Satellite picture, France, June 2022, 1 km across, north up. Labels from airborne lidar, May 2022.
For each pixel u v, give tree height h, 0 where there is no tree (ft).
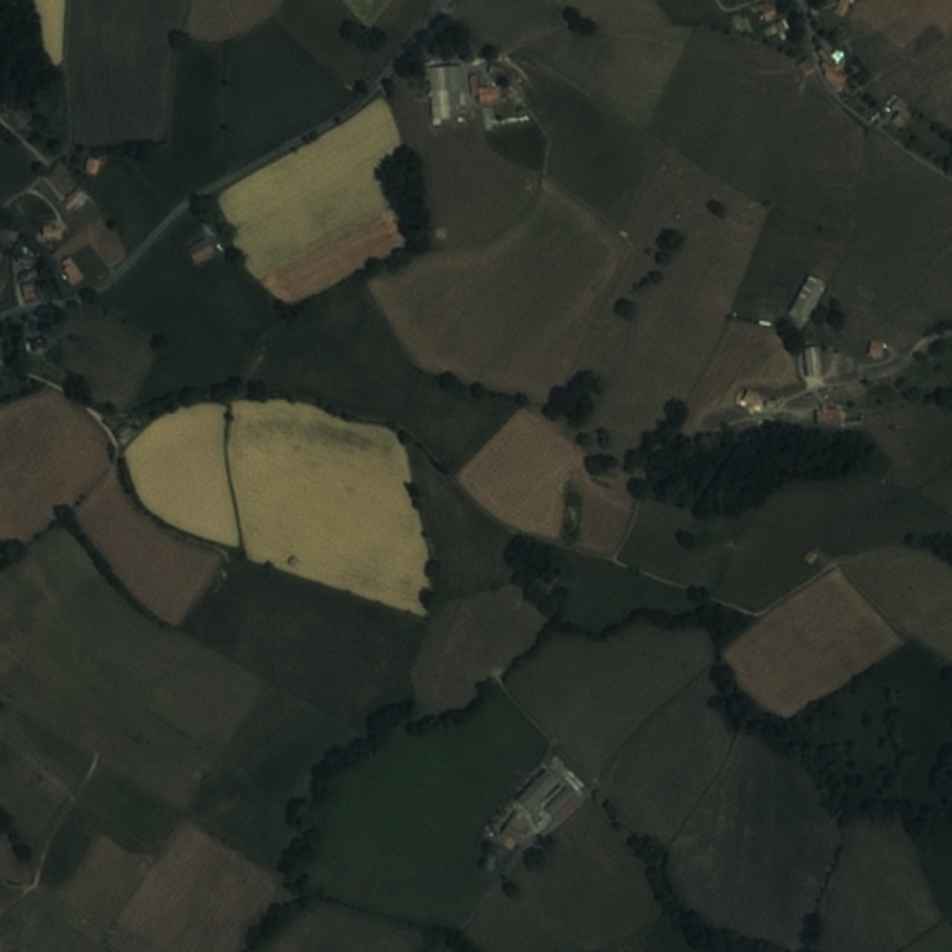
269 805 0
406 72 43
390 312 0
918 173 0
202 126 0
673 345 0
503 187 0
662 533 0
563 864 0
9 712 0
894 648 0
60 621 0
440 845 0
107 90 0
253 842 0
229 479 0
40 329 61
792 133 0
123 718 0
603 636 27
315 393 0
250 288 0
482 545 0
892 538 0
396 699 0
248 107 0
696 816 0
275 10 0
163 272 0
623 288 0
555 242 0
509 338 0
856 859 0
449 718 50
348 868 0
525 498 0
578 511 0
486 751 0
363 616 0
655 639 0
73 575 0
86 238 0
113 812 0
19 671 0
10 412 0
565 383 0
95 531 0
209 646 0
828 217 0
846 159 0
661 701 0
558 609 28
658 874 49
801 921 0
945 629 0
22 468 0
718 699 28
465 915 0
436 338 0
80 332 0
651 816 0
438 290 0
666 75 0
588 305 0
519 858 0
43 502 0
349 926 0
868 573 0
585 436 40
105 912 0
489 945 0
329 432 0
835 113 0
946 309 0
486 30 0
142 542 0
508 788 0
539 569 22
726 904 0
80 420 0
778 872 0
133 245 0
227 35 0
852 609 0
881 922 0
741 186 0
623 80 0
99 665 0
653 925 0
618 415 0
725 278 0
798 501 0
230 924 0
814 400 0
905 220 0
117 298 0
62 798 0
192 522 0
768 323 0
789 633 0
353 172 0
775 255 0
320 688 0
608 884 0
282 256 0
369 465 0
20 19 99
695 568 0
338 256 0
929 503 0
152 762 0
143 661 0
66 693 0
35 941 0
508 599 0
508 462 0
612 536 0
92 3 0
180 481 0
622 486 0
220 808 0
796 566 0
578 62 0
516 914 0
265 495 0
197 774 0
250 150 0
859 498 0
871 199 0
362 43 53
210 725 0
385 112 0
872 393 0
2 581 0
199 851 0
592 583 0
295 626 0
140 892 0
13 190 0
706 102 0
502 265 0
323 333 0
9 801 0
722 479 53
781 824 0
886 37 0
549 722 0
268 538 0
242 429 0
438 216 0
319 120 0
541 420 0
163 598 0
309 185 0
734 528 0
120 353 0
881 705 0
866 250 0
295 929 0
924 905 0
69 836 0
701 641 0
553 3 0
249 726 0
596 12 0
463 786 0
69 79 0
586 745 0
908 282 0
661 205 0
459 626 0
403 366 0
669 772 0
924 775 0
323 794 68
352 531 0
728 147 0
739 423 0
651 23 0
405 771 0
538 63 0
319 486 0
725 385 0
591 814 0
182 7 0
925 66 0
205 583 0
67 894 0
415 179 75
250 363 0
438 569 45
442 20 48
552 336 0
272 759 0
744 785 0
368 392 0
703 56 0
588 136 0
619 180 0
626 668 0
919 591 0
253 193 0
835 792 27
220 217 49
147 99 0
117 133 0
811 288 0
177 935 0
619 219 0
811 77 0
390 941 0
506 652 0
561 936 0
